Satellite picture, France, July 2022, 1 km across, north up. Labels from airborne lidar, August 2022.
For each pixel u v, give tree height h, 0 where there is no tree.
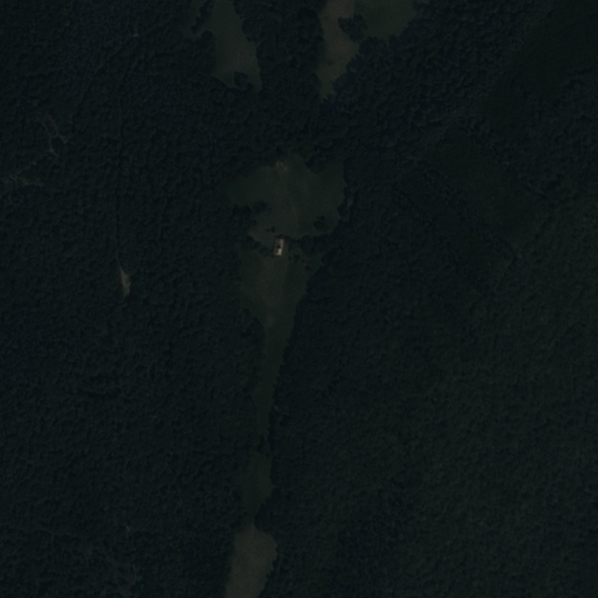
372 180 24
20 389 14
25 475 17
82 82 27
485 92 19
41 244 19
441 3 23
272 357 0
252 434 26
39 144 20
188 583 13
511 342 18
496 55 23
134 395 16
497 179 11
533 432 16
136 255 18
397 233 18
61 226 17
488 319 21
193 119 20
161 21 23
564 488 17
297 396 25
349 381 14
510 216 11
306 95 33
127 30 20
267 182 0
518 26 24
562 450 15
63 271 17
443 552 19
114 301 15
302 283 0
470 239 13
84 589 17
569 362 17
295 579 16
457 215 10
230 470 24
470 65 32
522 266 17
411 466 18
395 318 17
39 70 24
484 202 12
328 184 0
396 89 24
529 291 15
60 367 17
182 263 18
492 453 21
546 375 18
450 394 20
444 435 19
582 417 14
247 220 24
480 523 16
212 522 17
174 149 22
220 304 16
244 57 0
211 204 20
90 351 20
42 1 23
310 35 26
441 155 11
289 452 23
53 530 21
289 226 0
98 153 15
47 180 25
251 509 0
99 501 20
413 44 21
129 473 16
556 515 14
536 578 14
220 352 16
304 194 0
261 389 0
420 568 16
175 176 27
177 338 18
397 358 20
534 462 7
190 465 16
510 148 20
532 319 16
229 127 24
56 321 19
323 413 15
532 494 16
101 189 19
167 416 19
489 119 9
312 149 22
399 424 14
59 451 18
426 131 21
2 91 23
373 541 27
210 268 15
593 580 23
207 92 25
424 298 20
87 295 20
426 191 9
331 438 13
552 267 19
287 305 0
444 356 22
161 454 18
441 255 16
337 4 0
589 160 16
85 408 20
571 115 17
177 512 14
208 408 20
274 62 24
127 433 18
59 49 30
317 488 14
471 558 19
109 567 19
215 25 0
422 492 20
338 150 23
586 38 15
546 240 17
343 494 16
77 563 22
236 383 20
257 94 20
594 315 15
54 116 22
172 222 24
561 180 21
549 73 14
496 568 20
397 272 12
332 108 28
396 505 25
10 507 17
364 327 16
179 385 22
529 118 12
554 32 11
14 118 27
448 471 19
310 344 24
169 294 22
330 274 28
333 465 12
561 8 12
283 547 15
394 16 0
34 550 22
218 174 19
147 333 15
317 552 16
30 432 16
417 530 18
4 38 25
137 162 12
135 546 14
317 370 18
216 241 18
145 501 15
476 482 21
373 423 14
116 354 19
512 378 16
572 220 14
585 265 15
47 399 21
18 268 19
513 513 17
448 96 28
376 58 29
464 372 18
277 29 23
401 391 17
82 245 15
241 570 0
